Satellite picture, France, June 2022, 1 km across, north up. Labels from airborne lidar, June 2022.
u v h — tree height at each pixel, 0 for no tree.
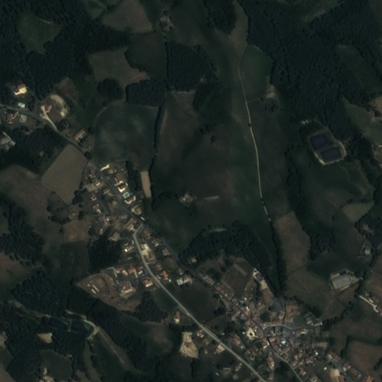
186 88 19
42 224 0
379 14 0
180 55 21
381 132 0
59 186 0
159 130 23
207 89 10
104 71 0
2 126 9
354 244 0
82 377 0
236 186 0
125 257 0
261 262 19
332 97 22
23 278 0
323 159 0
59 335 21
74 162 0
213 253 16
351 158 18
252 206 0
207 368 0
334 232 13
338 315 0
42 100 18
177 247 0
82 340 21
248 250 24
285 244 0
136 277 0
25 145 18
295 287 0
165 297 0
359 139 21
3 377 0
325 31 20
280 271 17
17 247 23
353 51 0
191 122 0
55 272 0
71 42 12
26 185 0
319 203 0
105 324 25
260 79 0
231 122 0
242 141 0
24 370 22
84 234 0
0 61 32
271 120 0
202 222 0
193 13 0
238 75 0
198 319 0
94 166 0
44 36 0
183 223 0
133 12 0
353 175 0
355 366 0
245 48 0
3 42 35
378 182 8
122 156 0
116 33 7
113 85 15
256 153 0
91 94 0
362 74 0
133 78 0
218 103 0
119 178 0
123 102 0
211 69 20
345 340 0
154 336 0
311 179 0
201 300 0
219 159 0
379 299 0
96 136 0
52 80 24
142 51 0
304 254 0
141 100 26
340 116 36
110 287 0
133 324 0
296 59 27
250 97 0
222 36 0
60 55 28
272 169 0
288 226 0
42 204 0
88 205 0
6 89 23
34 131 0
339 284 0
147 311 20
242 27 0
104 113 0
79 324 0
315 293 0
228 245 29
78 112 0
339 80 35
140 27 0
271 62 0
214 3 17
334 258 0
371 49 27
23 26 0
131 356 16
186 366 0
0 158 10
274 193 0
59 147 0
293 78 31
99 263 10
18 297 28
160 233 12
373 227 21
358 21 24
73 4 27
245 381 0
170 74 18
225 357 0
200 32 0
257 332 0
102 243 12
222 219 0
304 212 14
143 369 24
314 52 31
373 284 0
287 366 19
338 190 0
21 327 33
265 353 0
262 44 23
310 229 15
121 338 27
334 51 36
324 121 16
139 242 0
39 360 19
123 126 0
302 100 9
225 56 0
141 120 0
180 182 0
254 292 0
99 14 0
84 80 0
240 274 0
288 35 28
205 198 0
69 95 0
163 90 28
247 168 0
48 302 16
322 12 0
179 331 17
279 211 0
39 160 16
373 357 0
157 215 0
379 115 16
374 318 0
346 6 20
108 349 0
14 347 19
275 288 15
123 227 0
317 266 0
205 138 0
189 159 0
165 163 0
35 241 7
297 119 8
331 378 0
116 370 0
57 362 0
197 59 18
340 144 0
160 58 0
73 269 0
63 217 0
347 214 0
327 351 7
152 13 0
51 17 28
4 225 0
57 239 0
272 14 29
